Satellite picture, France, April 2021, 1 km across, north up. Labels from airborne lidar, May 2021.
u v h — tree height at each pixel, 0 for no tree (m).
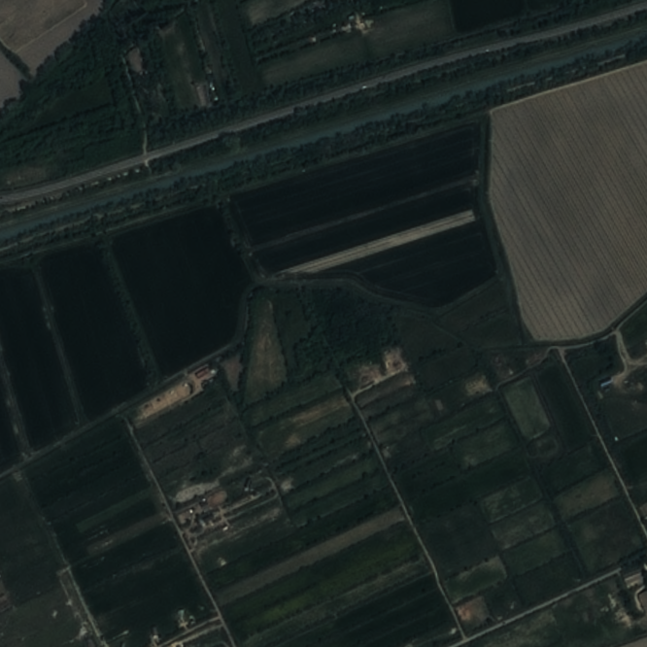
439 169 0
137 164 0
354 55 0
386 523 0
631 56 15
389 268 0
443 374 0
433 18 0
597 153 0
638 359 0
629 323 0
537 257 0
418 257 0
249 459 0
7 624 0
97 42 17
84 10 0
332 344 13
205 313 0
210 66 8
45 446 0
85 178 0
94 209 6
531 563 0
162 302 0
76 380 0
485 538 0
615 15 0
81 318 0
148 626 0
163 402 0
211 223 0
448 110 8
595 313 0
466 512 0
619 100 0
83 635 0
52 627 0
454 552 0
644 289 0
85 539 0
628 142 0
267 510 0
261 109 16
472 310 0
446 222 0
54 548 0
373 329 13
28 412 0
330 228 0
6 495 0
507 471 0
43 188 0
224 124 6
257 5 0
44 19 0
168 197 7
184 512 0
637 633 0
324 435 7
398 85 8
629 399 0
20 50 0
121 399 0
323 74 6
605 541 0
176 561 0
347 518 0
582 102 0
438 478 0
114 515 0
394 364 0
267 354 0
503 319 0
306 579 0
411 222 0
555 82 6
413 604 0
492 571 0
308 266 0
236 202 0
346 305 11
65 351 0
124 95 10
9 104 0
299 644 0
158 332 0
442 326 0
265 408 0
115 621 0
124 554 0
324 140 10
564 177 0
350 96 10
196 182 10
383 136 10
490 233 0
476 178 0
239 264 0
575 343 0
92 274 0
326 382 0
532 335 0
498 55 6
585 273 0
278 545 0
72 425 0
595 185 0
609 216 0
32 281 0
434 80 12
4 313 0
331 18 13
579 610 0
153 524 0
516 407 0
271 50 8
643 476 0
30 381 0
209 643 0
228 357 7
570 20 12
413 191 0
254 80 0
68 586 0
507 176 0
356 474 0
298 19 14
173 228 0
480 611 0
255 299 7
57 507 0
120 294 8
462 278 0
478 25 0
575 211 0
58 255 0
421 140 0
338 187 0
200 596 0
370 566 0
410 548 0
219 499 0
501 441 0
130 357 0
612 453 7
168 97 11
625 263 0
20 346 0
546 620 0
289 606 0
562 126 0
